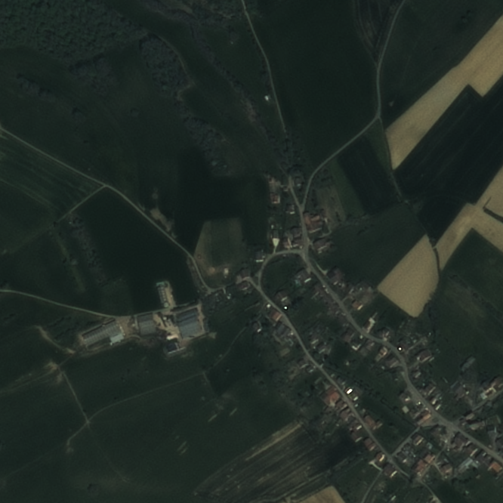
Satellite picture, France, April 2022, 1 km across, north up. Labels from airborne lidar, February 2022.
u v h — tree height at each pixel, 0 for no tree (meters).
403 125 0
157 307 0
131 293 0
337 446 0
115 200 0
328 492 0
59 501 0
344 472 6
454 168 0
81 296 0
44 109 0
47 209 0
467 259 0
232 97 0
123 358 0
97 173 0
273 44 0
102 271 6
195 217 0
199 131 19
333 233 0
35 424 0
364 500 0
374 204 0
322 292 0
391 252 0
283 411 0
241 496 0
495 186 0
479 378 0
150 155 0
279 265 0
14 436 0
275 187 0
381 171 0
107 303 0
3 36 23
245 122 0
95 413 0
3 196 0
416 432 0
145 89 0
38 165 0
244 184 0
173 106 0
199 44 23
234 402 0
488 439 0
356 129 0
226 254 0
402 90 0
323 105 0
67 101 0
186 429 0
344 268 0
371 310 0
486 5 0
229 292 8
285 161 17
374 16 0
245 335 0
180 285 0
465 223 0
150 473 0
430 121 0
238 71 0
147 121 0
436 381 0
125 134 0
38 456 0
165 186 0
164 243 0
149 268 0
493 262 0
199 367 0
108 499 0
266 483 0
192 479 0
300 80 0
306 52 0
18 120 0
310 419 0
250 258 0
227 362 0
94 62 0
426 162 0
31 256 0
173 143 0
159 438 0
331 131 0
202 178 0
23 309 0
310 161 0
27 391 0
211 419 0
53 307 0
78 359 0
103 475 0
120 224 0
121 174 0
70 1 22
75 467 0
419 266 0
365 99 0
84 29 22
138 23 0
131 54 0
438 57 0
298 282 0
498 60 0
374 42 0
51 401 0
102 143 0
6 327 0
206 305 16
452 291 0
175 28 0
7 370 0
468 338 0
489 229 0
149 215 0
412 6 0
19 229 0
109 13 21
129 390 0
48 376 0
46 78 0
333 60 0
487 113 0
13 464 0
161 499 0
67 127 0
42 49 16
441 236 0
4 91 0
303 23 0
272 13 0
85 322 0
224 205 0
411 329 0
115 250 0
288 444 0
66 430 0
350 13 0
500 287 0
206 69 0
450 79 0
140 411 0
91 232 0
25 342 0
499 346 0
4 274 0
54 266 0
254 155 0
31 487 0
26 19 25
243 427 0
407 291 0
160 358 0
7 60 0
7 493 0
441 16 0
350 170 0
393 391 0
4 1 25
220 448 0
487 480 0
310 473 0
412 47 0
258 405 0
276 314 0
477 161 0
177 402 0
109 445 0
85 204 0
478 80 0
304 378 0
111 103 0
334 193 0
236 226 0
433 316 16
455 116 0
